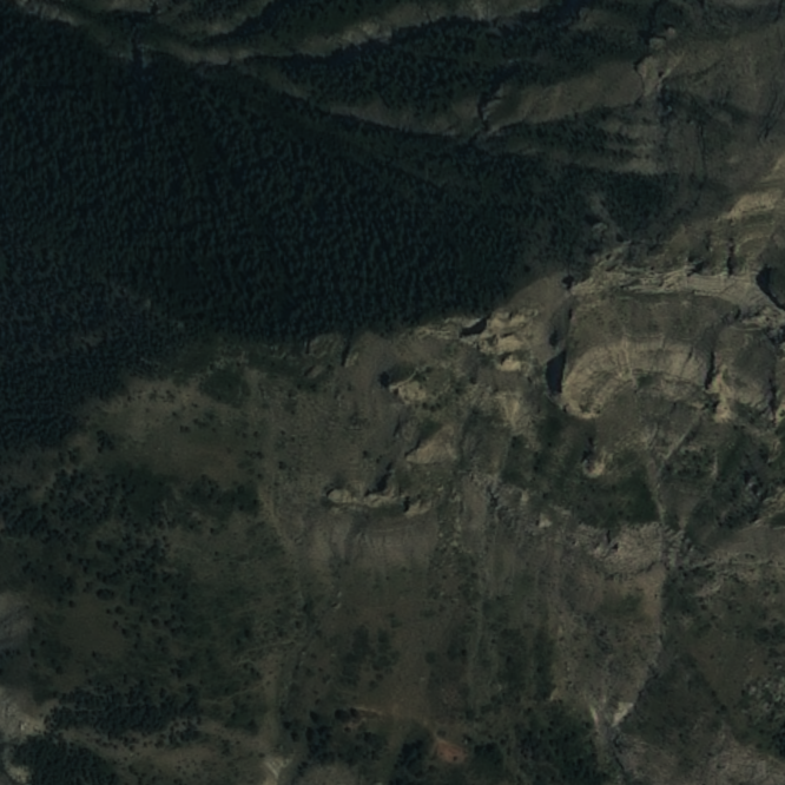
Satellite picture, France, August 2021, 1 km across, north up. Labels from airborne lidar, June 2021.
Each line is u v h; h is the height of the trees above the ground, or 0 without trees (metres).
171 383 0
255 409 0
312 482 0
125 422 0
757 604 0
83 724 6
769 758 0
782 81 0
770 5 0
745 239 0
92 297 11
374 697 0
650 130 0
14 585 0
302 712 0
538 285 0
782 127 0
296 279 13
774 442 0
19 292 14
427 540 0
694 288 0
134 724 15
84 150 21
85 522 8
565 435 0
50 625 0
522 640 0
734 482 0
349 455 0
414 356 0
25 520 17
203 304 8
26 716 0
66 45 6
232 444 0
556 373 0
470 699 0
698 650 0
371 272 17
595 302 0
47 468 0
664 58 0
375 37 0
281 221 9
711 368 0
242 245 18
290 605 0
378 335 7
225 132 20
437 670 0
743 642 0
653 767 0
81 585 0
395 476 0
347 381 0
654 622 0
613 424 0
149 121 22
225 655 0
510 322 0
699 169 0
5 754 0
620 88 0
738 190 0
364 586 0
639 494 0
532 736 10
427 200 16
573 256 7
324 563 0
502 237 9
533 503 0
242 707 5
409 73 12
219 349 0
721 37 0
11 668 0
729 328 0
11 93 18
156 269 14
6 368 6
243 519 0
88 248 16
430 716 0
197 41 6
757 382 0
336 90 22
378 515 0
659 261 0
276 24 20
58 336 13
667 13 0
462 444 0
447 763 0
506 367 0
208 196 6
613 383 0
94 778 10
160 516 6
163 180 21
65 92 24
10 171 22
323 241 21
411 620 0
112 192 21
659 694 0
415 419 0
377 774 0
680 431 0
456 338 0
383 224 14
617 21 0
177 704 8
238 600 0
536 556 0
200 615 0
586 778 11
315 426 0
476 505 0
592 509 0
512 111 0
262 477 9
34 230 17
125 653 0
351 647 0
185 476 0
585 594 0
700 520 0
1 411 7
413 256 11
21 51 23
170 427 0
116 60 6
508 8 0
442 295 6
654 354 0
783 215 0
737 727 0
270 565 0
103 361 6
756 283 0
